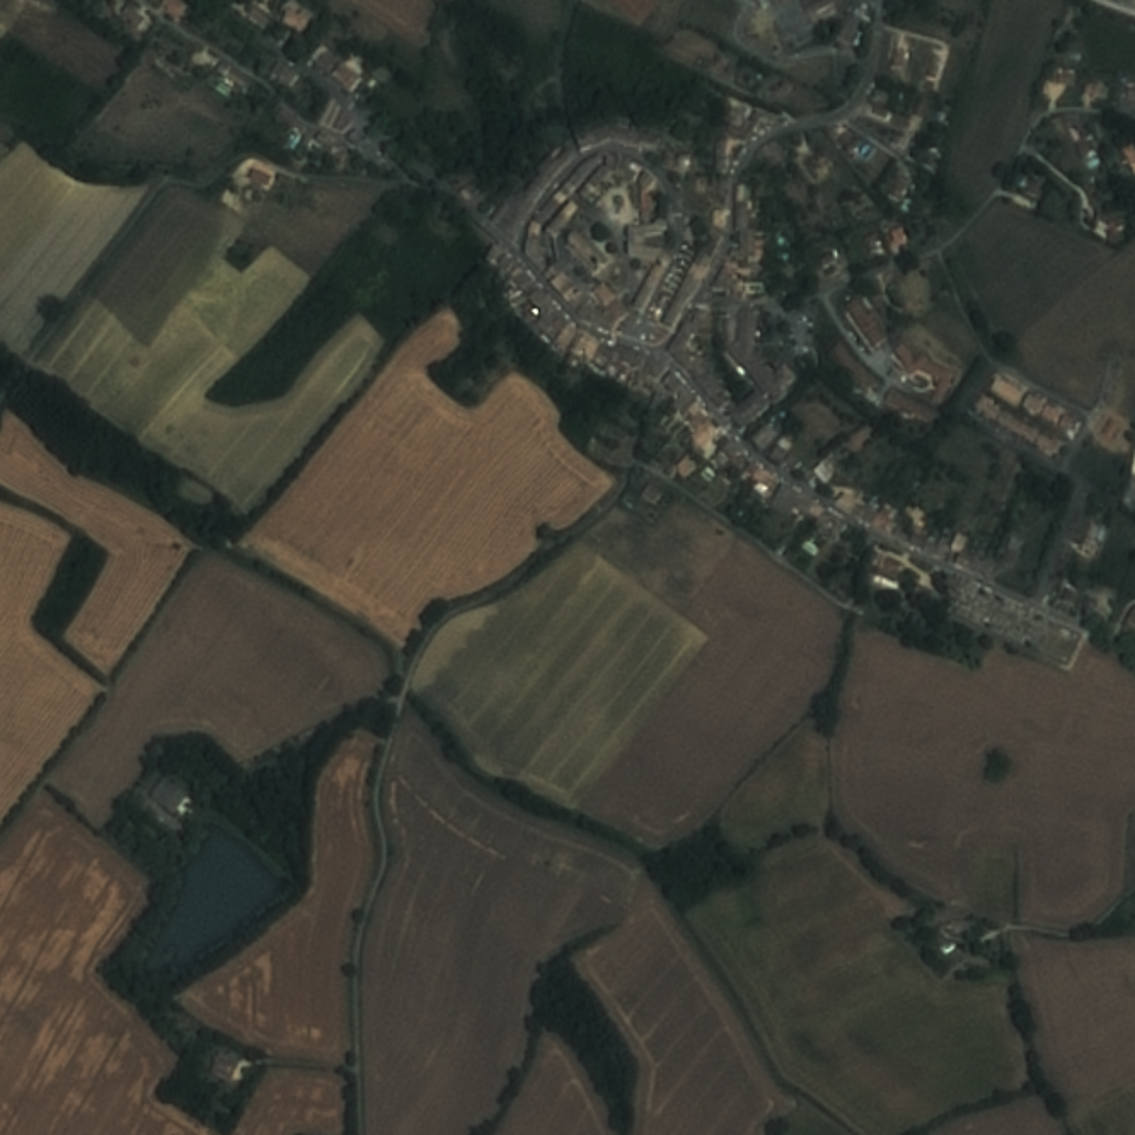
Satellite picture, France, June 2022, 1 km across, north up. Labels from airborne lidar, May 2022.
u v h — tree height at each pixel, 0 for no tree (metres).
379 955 0
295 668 0
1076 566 8
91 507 0
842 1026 0
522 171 10
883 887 12
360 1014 0
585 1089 0
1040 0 0
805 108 0
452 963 0
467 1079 0
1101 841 0
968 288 0
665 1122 0
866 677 0
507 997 0
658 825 0
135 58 13
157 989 21
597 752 0
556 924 0
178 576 6
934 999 0
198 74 9
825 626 0
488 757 0
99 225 0
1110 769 0
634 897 0
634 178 0
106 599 0
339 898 0
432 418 0
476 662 0
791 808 0
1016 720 0
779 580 0
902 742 0
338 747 22
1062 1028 0
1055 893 0
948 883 0
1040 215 7
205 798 17
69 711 0
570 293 0
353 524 0
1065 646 0
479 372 7
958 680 0
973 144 0
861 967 0
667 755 0
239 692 0
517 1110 0
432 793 0
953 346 0
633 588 0
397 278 6
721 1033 0
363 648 0
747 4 0
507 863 0
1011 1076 0
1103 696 0
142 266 0
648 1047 0
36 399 20
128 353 0
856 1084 0
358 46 10
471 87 11
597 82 12
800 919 0
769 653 0
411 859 0
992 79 0
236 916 0
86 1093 0
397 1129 0
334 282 8
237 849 0
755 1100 0
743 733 0
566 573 0
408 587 0
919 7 9
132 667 0
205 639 0
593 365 0
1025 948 0
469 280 18
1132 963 0
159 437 0
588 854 0
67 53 0
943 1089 0
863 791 0
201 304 0
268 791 25
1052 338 0
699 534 0
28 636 0
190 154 8
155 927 25
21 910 0
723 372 6
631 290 0
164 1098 14
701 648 0
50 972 0
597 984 0
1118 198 13
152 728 0
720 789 0
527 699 0
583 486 0
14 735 0
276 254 0
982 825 0
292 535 0
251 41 20
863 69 9
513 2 0
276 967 0
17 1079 0
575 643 0
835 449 9
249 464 0
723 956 0
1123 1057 0
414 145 18
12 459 0
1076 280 0
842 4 0
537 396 0
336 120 0
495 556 0
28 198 0
